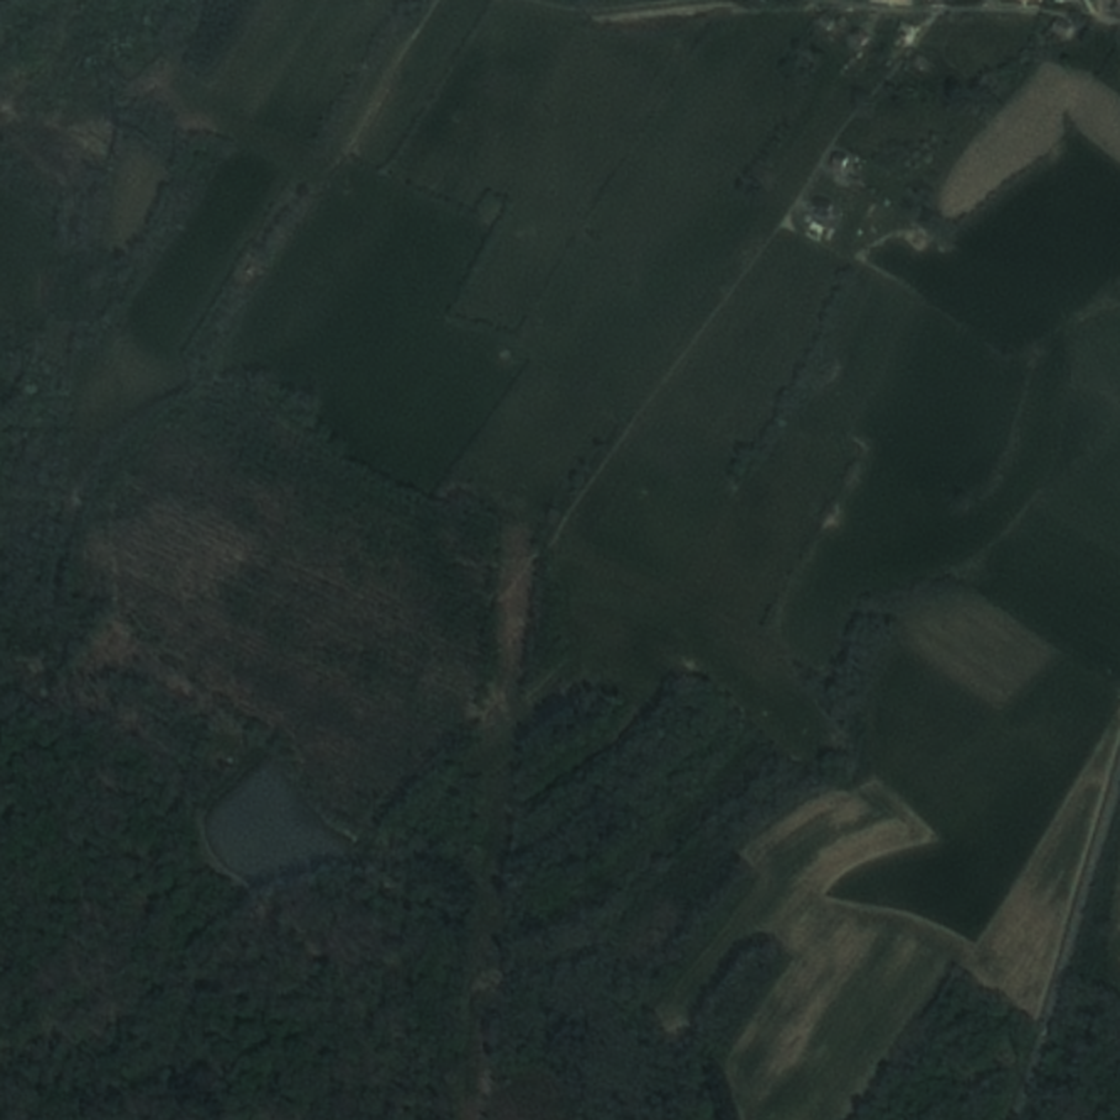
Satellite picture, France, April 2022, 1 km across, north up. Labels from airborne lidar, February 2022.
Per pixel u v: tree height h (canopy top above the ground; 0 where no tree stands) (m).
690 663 0
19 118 0
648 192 0
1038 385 0
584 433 0
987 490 0
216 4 11
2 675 22
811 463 0
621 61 0
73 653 25
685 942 16
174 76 0
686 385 0
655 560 0
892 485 0
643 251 0
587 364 0
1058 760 0
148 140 14
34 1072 27
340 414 0
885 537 0
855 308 0
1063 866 0
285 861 0
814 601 0
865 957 0
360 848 6
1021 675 0
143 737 22
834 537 0
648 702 0
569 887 21
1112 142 0
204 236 0
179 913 22
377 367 0
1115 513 0
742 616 0
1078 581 0
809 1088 0
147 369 0
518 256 0
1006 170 0
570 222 0
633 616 0
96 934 28
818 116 0
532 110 0
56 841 25
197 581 0
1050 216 0
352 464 14
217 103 0
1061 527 0
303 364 0
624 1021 26
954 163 0
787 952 16
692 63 0
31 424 17
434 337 0
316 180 0
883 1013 0
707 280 0
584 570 0
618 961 23
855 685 22
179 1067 24
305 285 0
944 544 0
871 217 0
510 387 0
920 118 0
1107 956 6
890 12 0
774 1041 0
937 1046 18
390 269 0
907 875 0
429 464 0
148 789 26
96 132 0
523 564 0
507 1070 24
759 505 0
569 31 0
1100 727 0
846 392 0
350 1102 25
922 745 0
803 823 0
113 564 0
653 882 8
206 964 27
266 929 30
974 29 0
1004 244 0
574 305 0
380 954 30
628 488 0
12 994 28
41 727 23
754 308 0
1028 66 7
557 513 12
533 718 0
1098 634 0
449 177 0
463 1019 25
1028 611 0
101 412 0
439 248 0
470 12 0
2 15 23
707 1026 23
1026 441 0
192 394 11
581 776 12
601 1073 27
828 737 0
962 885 0
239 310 16
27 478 20
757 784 21
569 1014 21
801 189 0
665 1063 27
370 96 0
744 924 0
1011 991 0
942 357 0
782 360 0
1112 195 0
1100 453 0
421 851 30
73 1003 30
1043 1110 27
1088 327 0
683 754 24
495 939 0
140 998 30
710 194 0
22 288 0
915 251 0
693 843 10
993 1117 28
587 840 27
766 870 0
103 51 15
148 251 19
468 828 23
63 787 24
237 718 24
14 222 0
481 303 0
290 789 0
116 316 6
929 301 0
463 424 0
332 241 0
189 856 23
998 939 0
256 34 0
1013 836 0
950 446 0
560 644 13
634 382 0
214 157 8
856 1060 0
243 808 0
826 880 0
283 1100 25
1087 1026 22
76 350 7
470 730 13
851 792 0
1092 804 0
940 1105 23
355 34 0
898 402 0
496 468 0
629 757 21
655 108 0
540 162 0
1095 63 0
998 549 0
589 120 0
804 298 0
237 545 0
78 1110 28
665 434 0
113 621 25
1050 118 0
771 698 0
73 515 0
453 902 24
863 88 0
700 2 0
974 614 0
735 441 0
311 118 0
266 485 11
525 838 9
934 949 0
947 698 0
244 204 0
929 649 0
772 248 0
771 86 0
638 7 0
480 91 0
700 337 0
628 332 0
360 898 27
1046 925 0
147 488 0
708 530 0
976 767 0
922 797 0
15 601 23
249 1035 24
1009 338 0
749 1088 0
